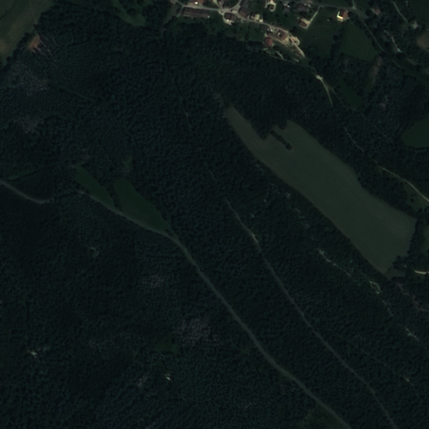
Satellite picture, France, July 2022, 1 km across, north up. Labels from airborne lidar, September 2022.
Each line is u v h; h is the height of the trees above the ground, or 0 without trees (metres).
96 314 8
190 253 11
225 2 7
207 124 18
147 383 23
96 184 0
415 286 15
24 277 17
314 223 12
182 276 19
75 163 26
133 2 24
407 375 17
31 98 28
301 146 0
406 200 16
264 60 7
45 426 27
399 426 14
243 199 22
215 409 26
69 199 25
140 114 7
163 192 8
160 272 26
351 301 20
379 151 28
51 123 8
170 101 26
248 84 12
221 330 19
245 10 0
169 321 26
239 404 28
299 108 27
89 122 25
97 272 14
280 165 0
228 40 16
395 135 19
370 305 18
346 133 13
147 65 27
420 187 9
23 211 13
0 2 0
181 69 22
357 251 14
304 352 18
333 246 17
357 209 0
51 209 11
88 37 20
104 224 27
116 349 11
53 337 24
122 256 8
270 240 19
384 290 15
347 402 14
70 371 12
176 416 31
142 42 32
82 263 10
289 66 12
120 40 28
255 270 8
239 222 8
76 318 15
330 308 16
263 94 17
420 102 17
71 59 22
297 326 18
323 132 23
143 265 25
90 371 13
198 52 14
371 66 11
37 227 14
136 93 30
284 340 17
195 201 29
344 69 25
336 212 0
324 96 9
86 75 26
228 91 8
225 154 25
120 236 19
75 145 28
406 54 11
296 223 17
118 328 18
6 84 27
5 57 0
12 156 8
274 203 20
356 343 11
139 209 0
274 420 26
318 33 0
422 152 10
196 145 18
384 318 7
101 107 21
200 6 0
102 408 32
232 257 16
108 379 12
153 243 19
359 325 24
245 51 11
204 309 27
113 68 18
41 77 23
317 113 16
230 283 11
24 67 26
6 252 26
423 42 0
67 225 14
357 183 0
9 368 29
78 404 45
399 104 22
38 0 0
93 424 11
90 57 24
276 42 0
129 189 0
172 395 23
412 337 8
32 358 32
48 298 20
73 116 28
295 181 0
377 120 25
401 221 0
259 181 17
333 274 16
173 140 24
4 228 14
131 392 29
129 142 16
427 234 0
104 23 9
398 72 8
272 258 18
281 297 16
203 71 13
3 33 0
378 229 0
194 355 23
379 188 19
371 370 26
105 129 27
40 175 9
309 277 24
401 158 16
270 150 0
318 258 16
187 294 9
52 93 28
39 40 0
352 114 21
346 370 13
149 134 27
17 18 0
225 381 24
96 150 27
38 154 9
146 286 23
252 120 8
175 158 28
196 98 28
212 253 26
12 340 27
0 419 36
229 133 26
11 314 24
